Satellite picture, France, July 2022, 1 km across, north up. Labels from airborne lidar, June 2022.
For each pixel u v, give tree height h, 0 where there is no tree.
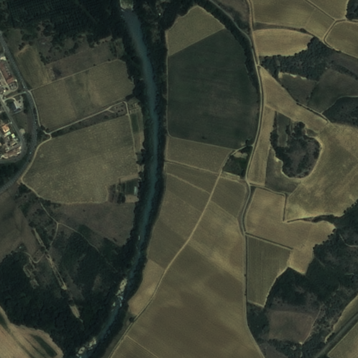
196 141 0
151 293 0
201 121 0
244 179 0
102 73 0
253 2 0
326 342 7
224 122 0
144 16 9
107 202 0
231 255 0
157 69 19
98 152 0
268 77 0
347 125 0
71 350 20
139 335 0
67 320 24
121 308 13
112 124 0
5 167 10
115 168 0
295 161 0
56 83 0
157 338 0
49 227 0
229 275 0
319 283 6
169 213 0
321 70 8
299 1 0
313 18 0
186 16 0
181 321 0
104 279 8
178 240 0
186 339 0
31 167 0
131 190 0
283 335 0
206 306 0
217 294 0
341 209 0
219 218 0
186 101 0
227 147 0
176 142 0
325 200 0
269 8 0
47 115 0
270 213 0
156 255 0
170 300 0
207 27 0
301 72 12
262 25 0
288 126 7
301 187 0
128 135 0
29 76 0
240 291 0
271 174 0
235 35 16
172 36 0
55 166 0
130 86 0
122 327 11
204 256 0
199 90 0
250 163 0
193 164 0
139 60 26
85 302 7
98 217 0
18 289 23
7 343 0
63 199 0
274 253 0
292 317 0
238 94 0
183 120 0
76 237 7
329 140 0
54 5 22
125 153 0
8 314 11
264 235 0
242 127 0
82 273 9
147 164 26
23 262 13
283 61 7
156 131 0
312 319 0
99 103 0
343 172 0
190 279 0
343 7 0
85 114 0
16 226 0
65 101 0
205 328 0
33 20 22
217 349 0
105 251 9
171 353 0
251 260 0
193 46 0
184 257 0
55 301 12
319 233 0
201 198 0
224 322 0
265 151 0
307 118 0
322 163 0
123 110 0
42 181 0
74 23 14
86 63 0
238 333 0
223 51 0
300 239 0
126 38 20
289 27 0
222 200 0
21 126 0
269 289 0
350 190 0
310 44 15
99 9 22
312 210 0
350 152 0
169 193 0
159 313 0
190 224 0
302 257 0
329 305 6
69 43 0
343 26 0
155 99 0
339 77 0
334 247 10
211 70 0
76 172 0
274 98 0
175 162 0
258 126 0
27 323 27
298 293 8
